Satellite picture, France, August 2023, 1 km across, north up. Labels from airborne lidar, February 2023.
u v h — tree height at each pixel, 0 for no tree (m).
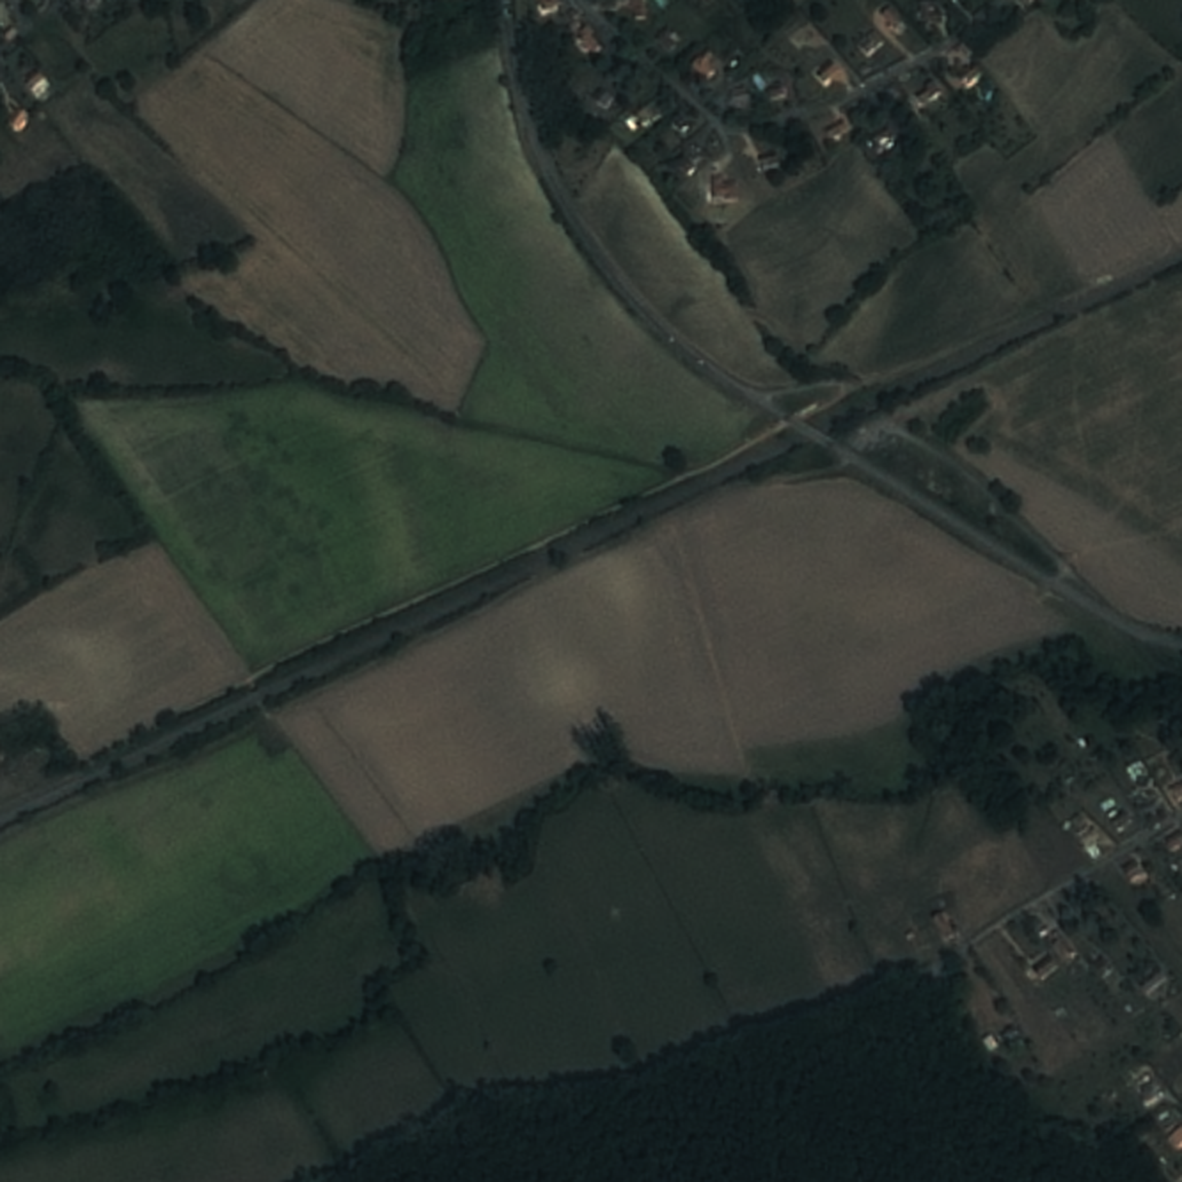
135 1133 0
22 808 0
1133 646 0
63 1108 0
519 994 0
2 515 0
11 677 0
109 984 0
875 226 0
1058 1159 25
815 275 0
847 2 0
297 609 0
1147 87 10
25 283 18
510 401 0
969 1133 19
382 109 0
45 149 0
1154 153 0
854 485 0
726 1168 26
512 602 0
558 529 0
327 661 0
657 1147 25
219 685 0
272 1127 0
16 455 0
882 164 9
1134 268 0
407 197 0
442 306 0
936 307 0
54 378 12
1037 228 0
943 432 6
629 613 0
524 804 0
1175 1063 0
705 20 0
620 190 0
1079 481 0
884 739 0
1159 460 0
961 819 0
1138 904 0
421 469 0
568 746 0
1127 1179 19
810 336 0
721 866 0
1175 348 0
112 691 0
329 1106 0
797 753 0
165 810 0
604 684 0
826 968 0
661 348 0
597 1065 0
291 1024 0
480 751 0
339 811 0
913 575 0
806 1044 24
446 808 0
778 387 0
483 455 0
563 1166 25
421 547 0
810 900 0
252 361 0
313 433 0
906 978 18
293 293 0
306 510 0
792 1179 27
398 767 0
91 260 6
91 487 0
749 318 0
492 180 0
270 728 0
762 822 0
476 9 9
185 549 0
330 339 0
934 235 13
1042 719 0
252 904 0
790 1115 24
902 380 0
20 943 0
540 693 0
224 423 0
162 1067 0
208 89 0
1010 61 0
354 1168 16
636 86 19
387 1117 0
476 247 0
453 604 0
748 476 8
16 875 0
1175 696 18
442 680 0
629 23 12
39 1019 0
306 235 0
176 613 0
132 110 11
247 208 0
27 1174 0
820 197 0
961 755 14
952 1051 21
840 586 0
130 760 0
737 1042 19
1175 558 0
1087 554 0
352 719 0
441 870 36
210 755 0
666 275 0
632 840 0
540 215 0
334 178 0
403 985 0
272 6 0
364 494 0
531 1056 0
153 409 0
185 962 0
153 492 0
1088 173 0
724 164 0
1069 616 0
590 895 0
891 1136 20
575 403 0
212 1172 0
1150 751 0
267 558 0
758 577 0
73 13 6
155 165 0
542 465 0
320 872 0
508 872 15
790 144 11
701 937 0
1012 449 0
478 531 0
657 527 0
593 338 0
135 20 0
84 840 0
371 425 0
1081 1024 0
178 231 0
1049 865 0
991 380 0
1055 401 0
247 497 0
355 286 0
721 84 0
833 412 0
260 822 0
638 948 0
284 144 0
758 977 0
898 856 0
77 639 0
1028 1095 20
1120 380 0
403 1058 0
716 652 0
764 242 0
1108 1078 0
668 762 0
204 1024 0
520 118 0
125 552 9
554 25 8
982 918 0
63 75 0
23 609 0
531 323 0
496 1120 25
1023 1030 0
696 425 0
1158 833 0
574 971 0
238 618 0
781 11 16
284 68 0
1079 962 0
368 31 0
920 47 0
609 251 0
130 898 0
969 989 15
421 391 0
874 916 0
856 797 20
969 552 0
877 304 0
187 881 0
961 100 7
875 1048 24
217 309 9
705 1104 25
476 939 0
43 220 20
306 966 0
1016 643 0
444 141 0
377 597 0
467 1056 0
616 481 0
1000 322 0
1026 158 0
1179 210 0
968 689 23
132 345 0
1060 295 0
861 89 0
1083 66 0
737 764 0
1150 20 0
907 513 0
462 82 0
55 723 10
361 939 0
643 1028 0
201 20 23
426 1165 20
